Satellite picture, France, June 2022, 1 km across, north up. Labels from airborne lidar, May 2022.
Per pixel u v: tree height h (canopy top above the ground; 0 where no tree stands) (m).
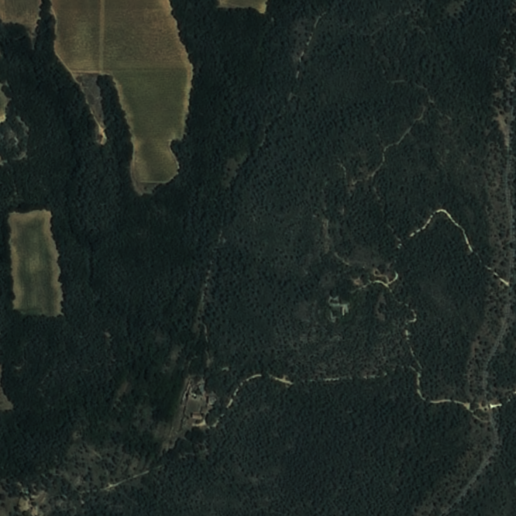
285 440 12
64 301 9
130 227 9
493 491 11
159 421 10
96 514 11
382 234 16
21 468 17
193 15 20
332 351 7
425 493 18
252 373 14
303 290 14
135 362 16
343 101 6
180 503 9
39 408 20
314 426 14
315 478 14
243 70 15
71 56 0
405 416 16
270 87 14
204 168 21
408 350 13
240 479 7
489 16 14
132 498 8
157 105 0
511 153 8
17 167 15
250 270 14
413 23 9
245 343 11
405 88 6
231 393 15
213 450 15
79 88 16
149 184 0
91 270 7
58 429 15
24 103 18
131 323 19
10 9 0
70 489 14
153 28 0
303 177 9
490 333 6
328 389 16
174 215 13
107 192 14
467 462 7
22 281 0
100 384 17
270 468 6
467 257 14
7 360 21
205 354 10
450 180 9
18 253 0
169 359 7
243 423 11
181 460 12
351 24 10
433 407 16
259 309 11
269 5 14
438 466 15
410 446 14
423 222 10
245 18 20
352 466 9
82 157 19
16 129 13
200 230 20
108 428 11
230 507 8
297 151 13
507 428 11
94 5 0
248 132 11
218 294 17
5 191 13
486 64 10
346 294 13
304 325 9
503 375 13
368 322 14
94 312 17
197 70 14
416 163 7
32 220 0
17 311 13
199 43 22
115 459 16
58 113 23
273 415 10
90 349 20
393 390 14
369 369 11
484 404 7
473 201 12
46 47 20
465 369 13
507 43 8
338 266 7
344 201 11
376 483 14
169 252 17
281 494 8
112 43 0
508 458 13
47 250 0
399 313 10
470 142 9
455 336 11
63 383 20
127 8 0
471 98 8
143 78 0
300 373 12
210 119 20
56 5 0
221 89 21
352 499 14
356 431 16
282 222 11
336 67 11
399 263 13
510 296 9
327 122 11
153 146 0
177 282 22
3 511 0
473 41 7
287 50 10
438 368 13
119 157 12
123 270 19
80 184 21
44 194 10
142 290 15
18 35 20
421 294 6
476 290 18
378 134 7
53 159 17
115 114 19
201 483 9
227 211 10
